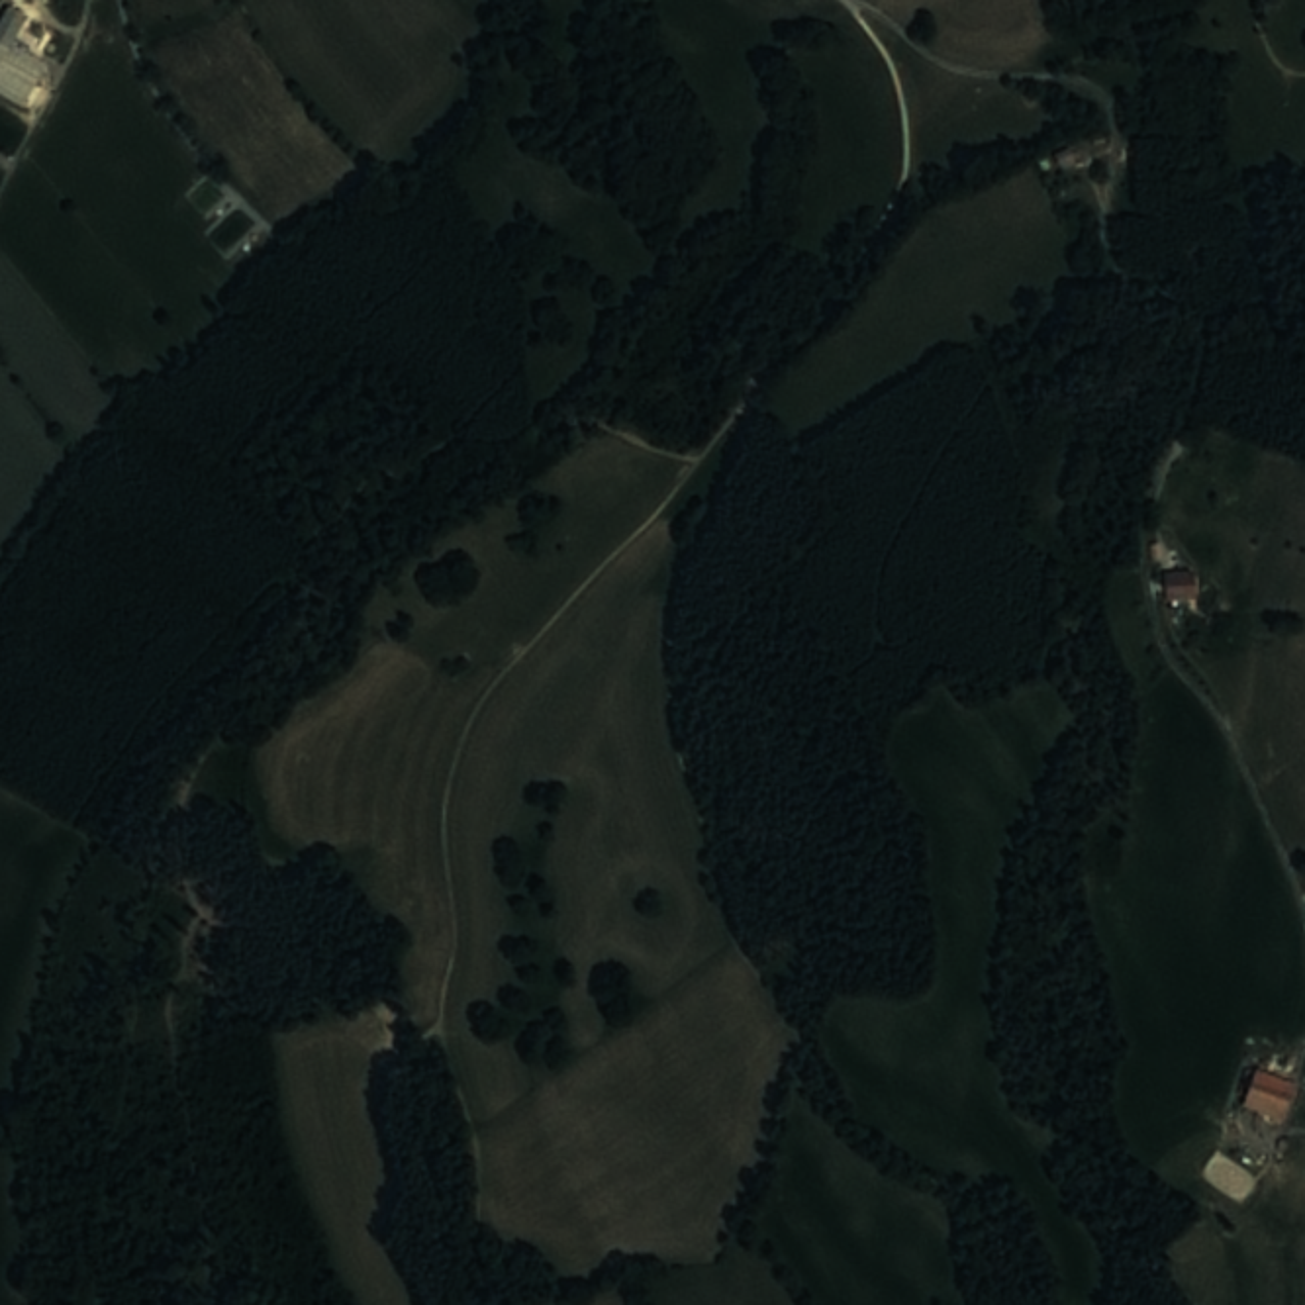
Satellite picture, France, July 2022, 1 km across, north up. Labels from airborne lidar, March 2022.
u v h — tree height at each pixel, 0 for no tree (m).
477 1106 0
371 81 0
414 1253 32
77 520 13
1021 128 0
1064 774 26
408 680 0
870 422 16
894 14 0
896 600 15
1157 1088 0
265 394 15
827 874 19
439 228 16
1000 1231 20
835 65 0
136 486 14
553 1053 17
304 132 0
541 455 16
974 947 0
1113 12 17
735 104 0
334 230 16
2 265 0
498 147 0
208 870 29
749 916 24
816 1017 16
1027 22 0
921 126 0
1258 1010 0
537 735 0
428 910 0
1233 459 0
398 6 0
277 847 0
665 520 0
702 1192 0
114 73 0
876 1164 20
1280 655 0
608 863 0
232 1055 12
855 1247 0
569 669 0
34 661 13
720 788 18
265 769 0
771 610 25
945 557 17
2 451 0
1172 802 0
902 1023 0
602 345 19
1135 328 30
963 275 0
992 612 14
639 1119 0
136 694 16
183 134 22
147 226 0
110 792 14
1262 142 0
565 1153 0
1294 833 0
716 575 23
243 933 28
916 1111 0
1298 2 0
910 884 17
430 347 17
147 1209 9
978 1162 0
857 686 16
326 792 0
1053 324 13
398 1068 34
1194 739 0
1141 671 0
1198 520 0
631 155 24
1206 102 24
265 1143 7
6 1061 0
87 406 0
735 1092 0
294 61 0
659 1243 0
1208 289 17
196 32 0
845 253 23
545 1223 0
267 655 23
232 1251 7
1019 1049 16
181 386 17
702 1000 0
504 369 15
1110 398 23
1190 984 0
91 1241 13
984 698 13
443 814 0
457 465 13
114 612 15
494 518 0
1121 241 20
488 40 13
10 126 0
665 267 16
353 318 14
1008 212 0
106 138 0
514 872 16
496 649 0
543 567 0
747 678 20
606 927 0
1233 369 17
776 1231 0
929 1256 0
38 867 0
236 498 13
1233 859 0
